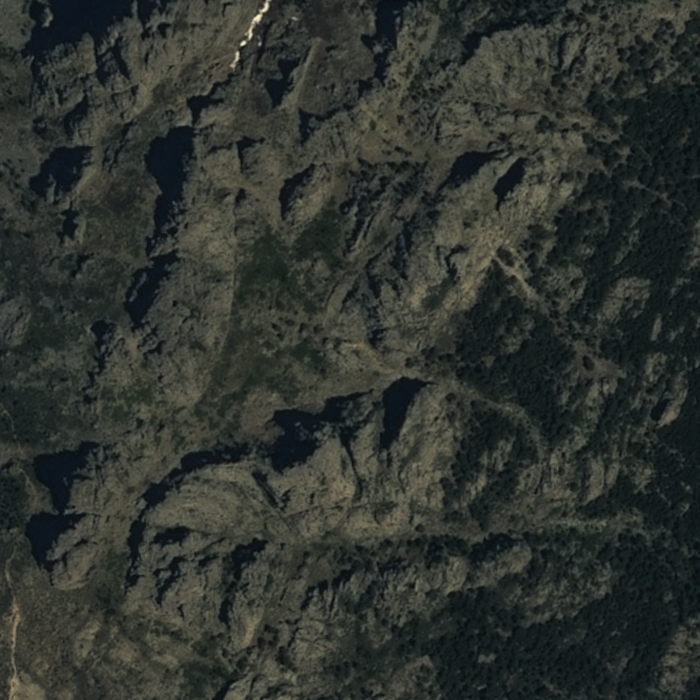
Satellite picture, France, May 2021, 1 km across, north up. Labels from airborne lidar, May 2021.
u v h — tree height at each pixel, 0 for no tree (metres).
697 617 10
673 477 17
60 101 0
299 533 8
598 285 17
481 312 13
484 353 14
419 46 0
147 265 0
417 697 6
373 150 0
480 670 20
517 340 7
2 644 0
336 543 0
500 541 56
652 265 16
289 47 8
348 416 9
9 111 0
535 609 8
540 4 7
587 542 9
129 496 0
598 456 11
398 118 8
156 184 0
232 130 0
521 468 19
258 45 0
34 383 0
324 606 6
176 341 18
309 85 0
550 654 24
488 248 0
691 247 16
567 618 18
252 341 0
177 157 0
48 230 0
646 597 17
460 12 12
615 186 24
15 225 0
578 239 24
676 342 16
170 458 0
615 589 17
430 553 24
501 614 25
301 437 7
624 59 20
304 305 0
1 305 0
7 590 0
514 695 27
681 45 19
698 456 15
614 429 23
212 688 0
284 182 0
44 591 0
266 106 0
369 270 8
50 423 0
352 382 0
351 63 0
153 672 0
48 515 0
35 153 0
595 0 11
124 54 0
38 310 0
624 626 9
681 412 13
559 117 18
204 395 0
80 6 0
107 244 0
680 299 18
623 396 19
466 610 16
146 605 0
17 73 0
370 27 0
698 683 11
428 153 0
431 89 7
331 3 0
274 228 0
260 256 0
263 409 0
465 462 26
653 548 10
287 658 22
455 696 19
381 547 9
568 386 7
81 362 0
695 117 33
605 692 27
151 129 0
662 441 15
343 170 0
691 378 19
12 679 0
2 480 7
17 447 0
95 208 0
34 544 0
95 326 0
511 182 8
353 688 20
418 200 11
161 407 0
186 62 0
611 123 18
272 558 10
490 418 11
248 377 0
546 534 10
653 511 15
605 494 10
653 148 21
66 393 0
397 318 9
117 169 0
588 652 22
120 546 0
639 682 17
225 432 0
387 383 0
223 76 0
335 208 0
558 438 16
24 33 9
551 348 15
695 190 22
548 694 26
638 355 14
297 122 0
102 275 0
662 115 12
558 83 23
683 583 11
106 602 8
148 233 0
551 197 9
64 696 0
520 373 14
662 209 19
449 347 0
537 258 18
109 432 0
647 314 15
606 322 9
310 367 10
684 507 10
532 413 9
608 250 23
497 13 16
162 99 0
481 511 10
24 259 0
